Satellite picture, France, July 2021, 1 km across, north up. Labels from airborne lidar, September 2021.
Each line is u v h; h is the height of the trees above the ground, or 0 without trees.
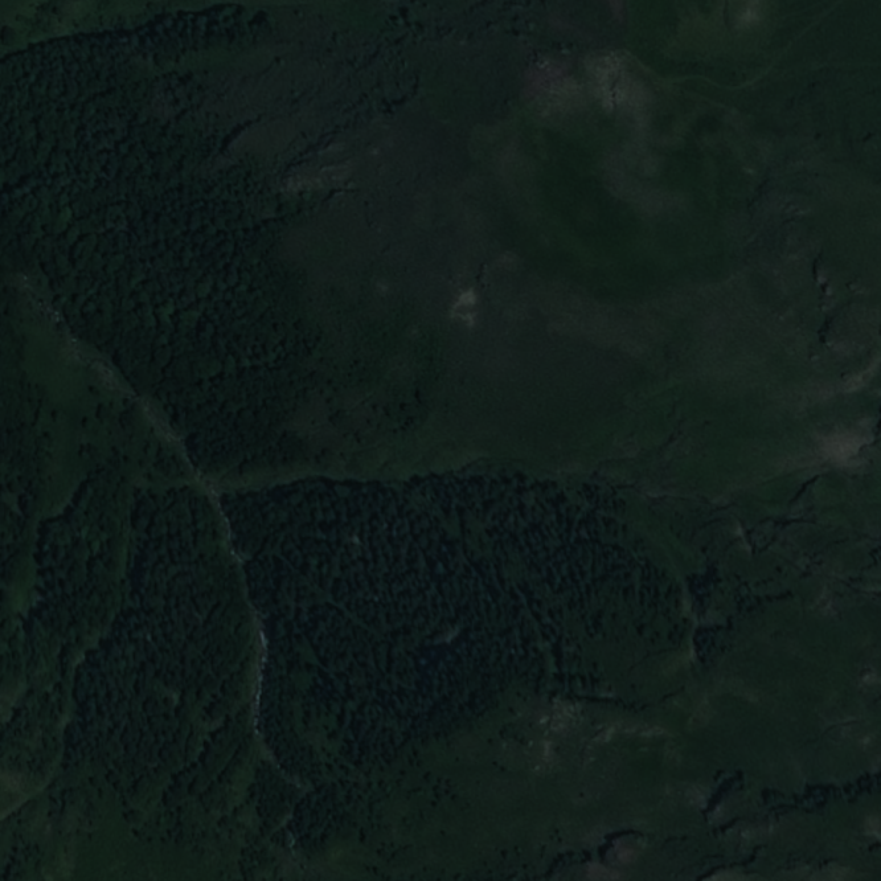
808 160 0
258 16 8
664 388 0
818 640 0
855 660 0
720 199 0
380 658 27
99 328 21
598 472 0
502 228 0
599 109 0
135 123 12
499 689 9
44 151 25
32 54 21
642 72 0
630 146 0
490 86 0
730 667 0
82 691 8
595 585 14
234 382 21
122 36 18
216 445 19
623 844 0
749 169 0
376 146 0
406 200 0
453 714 19
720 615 0
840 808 0
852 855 0
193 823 6
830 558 0
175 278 24
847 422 0
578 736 0
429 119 0
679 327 0
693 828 0
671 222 0
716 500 0
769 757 0
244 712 13
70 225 17
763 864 0
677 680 0
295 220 8
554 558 16
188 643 23
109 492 17
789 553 0
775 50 0
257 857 12
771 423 0
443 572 22
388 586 17
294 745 14
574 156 0
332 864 0
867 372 0
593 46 0
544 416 0
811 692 0
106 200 16
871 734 0
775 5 0
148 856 0
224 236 18
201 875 0
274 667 14
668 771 0
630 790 0
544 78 0
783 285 0
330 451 12
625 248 0
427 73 0
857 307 0
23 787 6
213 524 21
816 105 0
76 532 27
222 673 20
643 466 0
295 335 12
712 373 0
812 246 0
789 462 0
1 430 25
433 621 20
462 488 7
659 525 0
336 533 28
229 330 23
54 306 10
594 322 0
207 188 6
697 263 0
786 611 0
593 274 0
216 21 20
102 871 0
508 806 0
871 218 0
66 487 0
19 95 18
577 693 8
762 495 0
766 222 0
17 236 16
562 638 20
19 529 19
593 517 13
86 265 24
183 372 25
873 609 0
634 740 0
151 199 13
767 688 0
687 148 0
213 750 30
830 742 0
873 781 7
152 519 18
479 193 0
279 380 20
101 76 18
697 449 0
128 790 11
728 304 0
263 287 17
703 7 0
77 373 0
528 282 0
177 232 18
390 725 17
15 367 17
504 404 0
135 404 10
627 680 0
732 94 0
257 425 18
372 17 0
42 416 12
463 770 0
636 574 13
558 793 0
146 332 29
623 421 0
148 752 20
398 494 15
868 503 0
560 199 0
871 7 0
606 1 0
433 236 0
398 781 7
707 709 0
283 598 29
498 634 11
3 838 0
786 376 0
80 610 16
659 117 0
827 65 0
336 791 14
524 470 6
